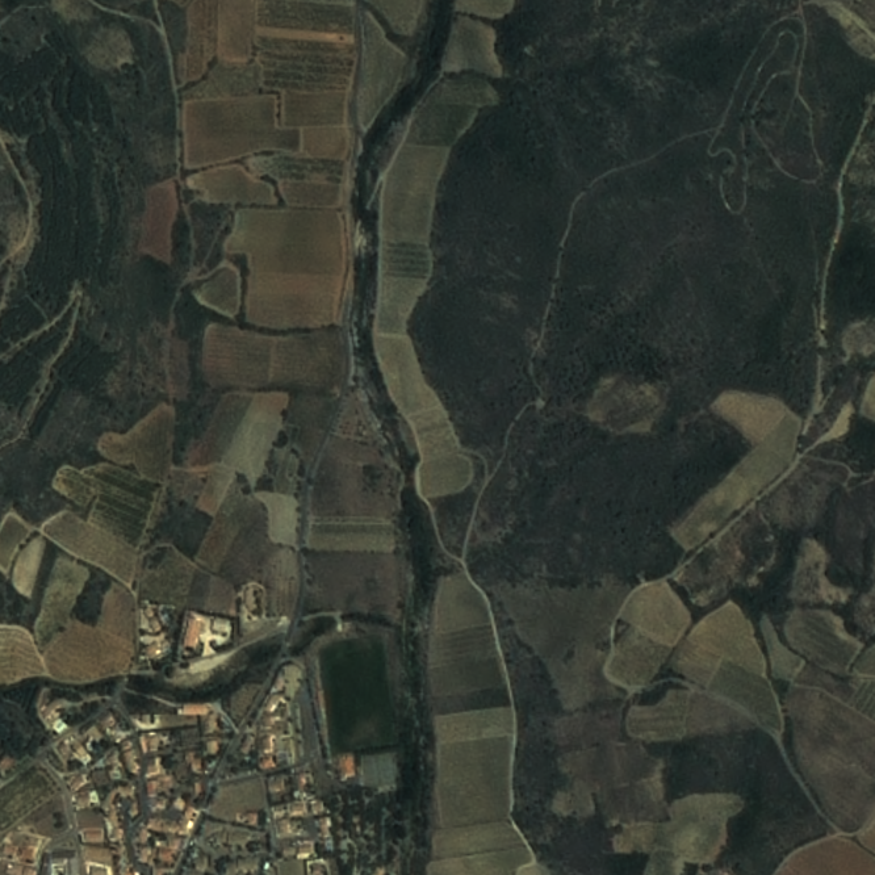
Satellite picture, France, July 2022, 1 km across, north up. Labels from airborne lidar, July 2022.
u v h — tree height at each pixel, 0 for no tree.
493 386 0
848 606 7
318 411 0
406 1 0
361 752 7
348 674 0
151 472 0
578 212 0
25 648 0
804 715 0
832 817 0
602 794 0
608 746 0
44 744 12
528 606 0
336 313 0
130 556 0
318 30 0
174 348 0
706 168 0
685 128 0
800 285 0
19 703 5
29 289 8
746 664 0
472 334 0
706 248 0
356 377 7
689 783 0
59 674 0
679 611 0
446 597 0
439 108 0
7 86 6
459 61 0
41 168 8
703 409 0
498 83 6
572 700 0
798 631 0
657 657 0
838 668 0
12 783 0
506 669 0
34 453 0
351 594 0
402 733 9
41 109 7
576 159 0
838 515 0
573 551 0
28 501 0
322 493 0
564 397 6
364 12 0
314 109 0
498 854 0
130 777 7
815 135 0
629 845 0
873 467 6
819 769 0
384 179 0
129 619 0
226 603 0
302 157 0
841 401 0
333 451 0
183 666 7
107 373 7
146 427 0
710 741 0
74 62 9
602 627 0
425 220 0
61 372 9
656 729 0
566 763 0
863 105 9
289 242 0
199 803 11
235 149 0
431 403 0
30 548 0
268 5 0
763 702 0
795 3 0
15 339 9
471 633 0
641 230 0
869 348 0
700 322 0
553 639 0
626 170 0
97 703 7
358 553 0
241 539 0
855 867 0
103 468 0
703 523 0
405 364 0
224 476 0
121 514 0
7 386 7
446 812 0
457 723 0
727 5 6
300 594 0
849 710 0
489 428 0
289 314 0
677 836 0
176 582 0
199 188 0
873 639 7
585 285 0
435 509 0
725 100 0
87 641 0
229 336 0
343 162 0
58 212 8
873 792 0
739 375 8
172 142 0
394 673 0
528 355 0
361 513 0
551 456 7
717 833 0
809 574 0
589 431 10
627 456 0
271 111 0
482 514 0
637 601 0
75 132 6
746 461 0
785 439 0
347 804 5
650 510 6
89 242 7
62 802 0
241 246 0
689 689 0
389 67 0
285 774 7
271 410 0
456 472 0
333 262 0
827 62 0
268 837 9
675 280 0
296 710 0
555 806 0
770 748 0
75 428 0
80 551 0
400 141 0
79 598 6
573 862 0
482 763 0
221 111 0
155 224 0
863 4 0
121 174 6
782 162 0
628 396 0
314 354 0
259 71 0
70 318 8
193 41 0
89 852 0
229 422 0
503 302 0
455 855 0
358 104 0
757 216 0
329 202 0
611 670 0
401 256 0
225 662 0
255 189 0
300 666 0
